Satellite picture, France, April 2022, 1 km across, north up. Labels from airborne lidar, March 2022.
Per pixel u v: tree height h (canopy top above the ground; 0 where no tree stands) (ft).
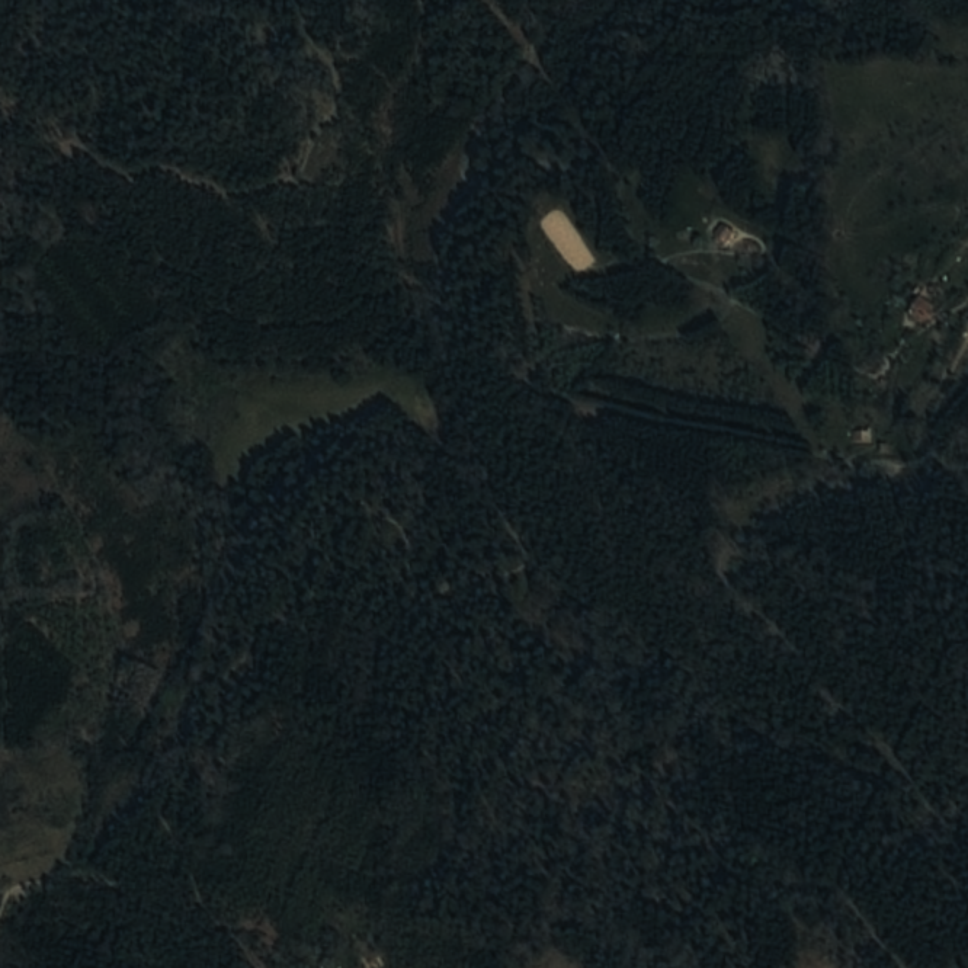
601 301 36
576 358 54
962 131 0
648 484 62
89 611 38
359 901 23
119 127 31
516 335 64
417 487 89
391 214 55
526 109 98
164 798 74
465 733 111
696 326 0
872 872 81
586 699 122
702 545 85
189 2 43
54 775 0
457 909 114
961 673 80
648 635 91
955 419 42
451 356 81
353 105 40
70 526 25
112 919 72
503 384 86
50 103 106
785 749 88
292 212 75
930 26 75
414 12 39
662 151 83
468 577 83
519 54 82
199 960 85
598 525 68
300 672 75
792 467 60
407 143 45
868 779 36
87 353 39
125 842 81
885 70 0
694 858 37
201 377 35
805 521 60
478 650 117
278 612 92
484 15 95
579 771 97
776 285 81
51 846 0
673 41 77
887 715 71
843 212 0
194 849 72
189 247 83
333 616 65
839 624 73
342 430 85
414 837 61
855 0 94
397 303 96
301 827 41
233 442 0
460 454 57
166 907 78
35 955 40
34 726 42
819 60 75
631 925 80
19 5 108
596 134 93
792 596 80
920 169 0
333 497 108
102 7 31
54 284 34
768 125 65
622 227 81
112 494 18
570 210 0
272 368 69
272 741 37
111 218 55
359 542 82
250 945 32
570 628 36
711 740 84
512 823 91
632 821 81
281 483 37
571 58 76
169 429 74
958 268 0
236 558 68
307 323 83
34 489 0
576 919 81
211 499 95
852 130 0
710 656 70
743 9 97
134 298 33
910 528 78
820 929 65
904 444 0
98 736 60
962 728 62
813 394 62
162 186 81
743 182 80
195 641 31
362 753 54
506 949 86
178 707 59
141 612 22
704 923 93
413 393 0
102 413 98
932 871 100
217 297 92
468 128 42
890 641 81
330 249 67
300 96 78
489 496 100
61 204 95
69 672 39
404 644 86
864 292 0
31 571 26
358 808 33
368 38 50
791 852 94
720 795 86
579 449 62
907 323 0
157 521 22
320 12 52
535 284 0
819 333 75
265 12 86
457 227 80
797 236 95
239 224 79
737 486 70
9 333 101
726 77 81
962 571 100
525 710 104
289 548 25
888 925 74
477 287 113
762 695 92
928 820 94
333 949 37
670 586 80
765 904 83
